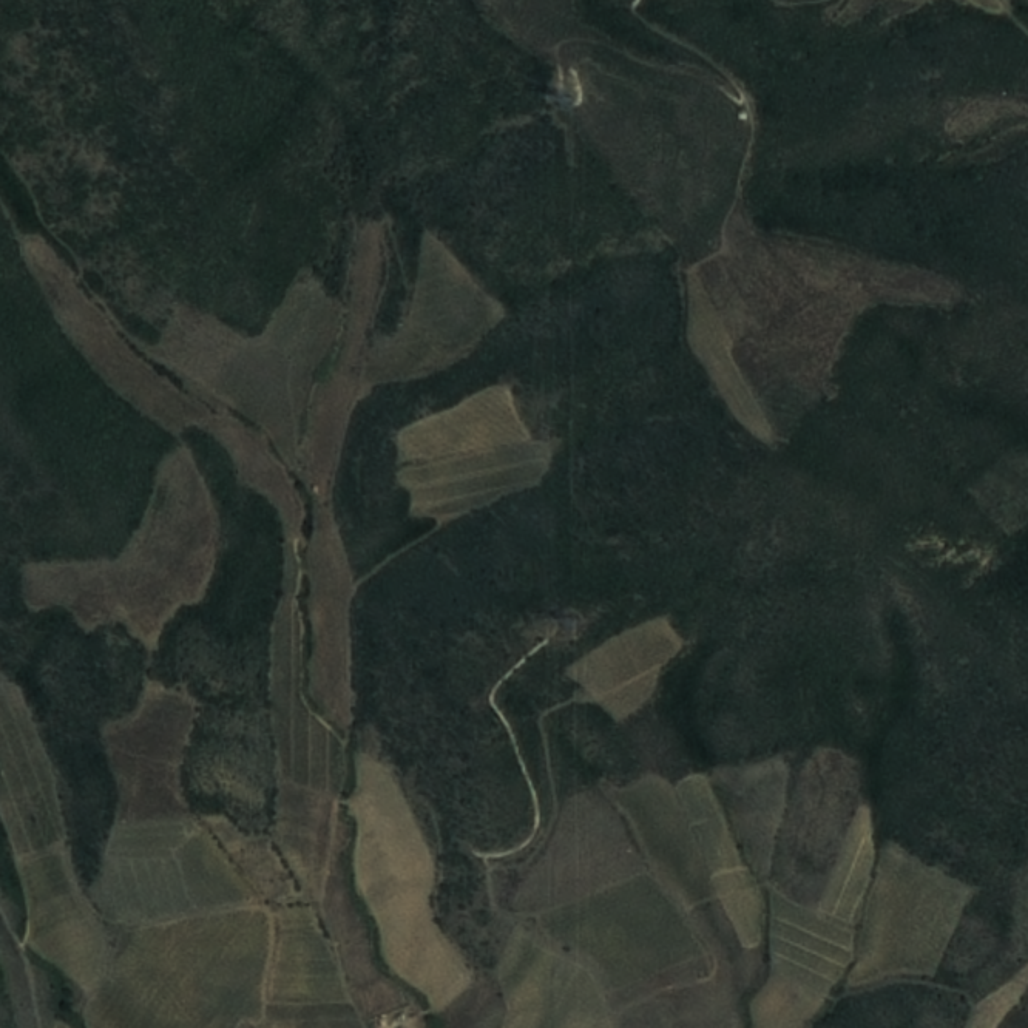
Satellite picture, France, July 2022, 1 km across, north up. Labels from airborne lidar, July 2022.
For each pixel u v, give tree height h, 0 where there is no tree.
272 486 0
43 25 7
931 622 0
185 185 0
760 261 0
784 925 0
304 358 0
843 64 7
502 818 0
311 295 0
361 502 0
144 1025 0
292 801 0
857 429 0
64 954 0
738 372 0
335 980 0
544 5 0
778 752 6
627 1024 0
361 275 0
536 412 0
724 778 0
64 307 0
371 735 0
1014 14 0
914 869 0
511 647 0
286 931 0
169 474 0
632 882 0
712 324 0
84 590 0
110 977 0
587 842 0
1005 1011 0
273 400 0
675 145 0
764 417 0
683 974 0
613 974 0
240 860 0
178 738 0
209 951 0
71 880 0
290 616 0
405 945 0
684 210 0
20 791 0
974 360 0
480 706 0
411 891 0
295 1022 0
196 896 0
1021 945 0
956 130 0
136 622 0
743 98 0
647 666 0
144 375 0
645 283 0
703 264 0
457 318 0
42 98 0
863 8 0
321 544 0
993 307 0
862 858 0
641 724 0
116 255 0
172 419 0
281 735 0
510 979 0
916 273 0
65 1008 11
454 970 0
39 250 0
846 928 0
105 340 0
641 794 0
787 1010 0
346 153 12
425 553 0
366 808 0
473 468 0
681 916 0
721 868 0
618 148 0
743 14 7
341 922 0
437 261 0
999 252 0
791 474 0
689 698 5
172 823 0
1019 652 0
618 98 0
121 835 0
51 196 0
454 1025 0
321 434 0
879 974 0
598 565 0
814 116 0
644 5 6
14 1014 6
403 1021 0
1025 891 0
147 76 0
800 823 0
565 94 0
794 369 0
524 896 0
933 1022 0
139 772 0
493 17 0
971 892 0
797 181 8
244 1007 0
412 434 0
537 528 0
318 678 0
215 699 6
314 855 0
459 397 0
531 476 0
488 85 5
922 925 0
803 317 0
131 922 0
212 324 0
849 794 0
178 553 0
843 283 0
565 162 0
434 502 0
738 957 0
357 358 0
